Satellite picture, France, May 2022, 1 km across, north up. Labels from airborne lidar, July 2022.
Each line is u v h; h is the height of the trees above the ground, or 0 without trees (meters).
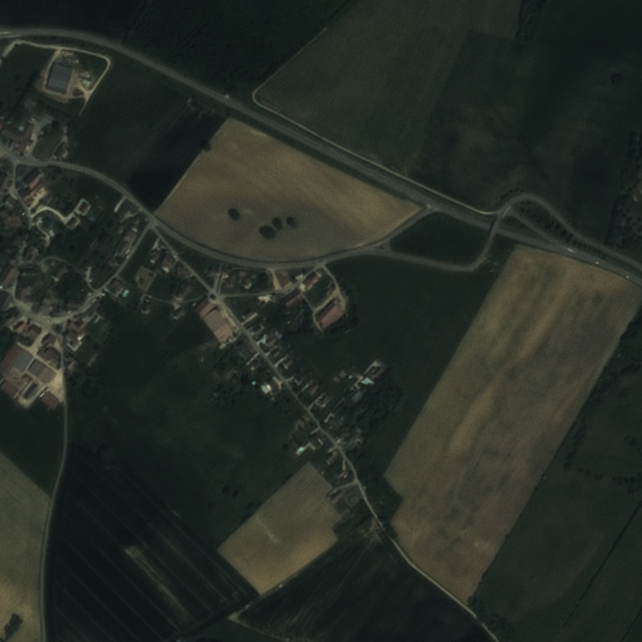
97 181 0
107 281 0
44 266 0
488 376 0
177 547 0
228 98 0
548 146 0
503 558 0
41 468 0
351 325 5
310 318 7
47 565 0
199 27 7
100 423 0
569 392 0
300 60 0
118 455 0
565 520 0
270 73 12
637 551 0
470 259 0
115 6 0
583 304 0
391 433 0
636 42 0
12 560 0
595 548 0
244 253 0
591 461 0
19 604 0
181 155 0
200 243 0
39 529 0
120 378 0
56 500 0
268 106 0
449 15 0
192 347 0
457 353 0
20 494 0
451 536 0
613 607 0
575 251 0
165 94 0
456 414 0
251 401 0
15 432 0
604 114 0
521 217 0
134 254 0
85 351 0
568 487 0
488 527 0
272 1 14
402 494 0
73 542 0
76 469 0
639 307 0
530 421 0
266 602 0
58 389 0
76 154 0
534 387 0
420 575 0
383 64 0
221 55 8
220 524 0
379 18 0
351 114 0
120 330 0
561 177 0
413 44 0
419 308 0
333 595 0
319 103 0
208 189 0
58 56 0
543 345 0
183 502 0
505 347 0
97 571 0
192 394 0
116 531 0
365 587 0
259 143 0
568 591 0
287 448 9
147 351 0
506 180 0
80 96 0
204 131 0
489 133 0
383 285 0
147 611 0
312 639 0
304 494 0
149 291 0
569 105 0
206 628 0
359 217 0
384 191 0
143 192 0
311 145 0
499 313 0
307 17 13
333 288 8
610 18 0
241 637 0
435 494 0
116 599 0
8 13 0
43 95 0
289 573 0
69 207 8
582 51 0
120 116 0
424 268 0
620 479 7
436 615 0
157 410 0
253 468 0
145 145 0
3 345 10
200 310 0
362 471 10
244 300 0
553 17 0
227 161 0
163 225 0
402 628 0
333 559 0
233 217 14
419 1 0
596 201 0
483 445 0
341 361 0
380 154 0
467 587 0
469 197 0
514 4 0
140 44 12
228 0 12
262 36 12
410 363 0
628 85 0
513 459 0
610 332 0
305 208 0
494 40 0
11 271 0
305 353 0
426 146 0
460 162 0
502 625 5
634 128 0
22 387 0
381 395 15
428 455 0
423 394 0
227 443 0
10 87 0
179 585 0
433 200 0
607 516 0
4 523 0
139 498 0
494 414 0
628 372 10
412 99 0
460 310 0
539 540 0
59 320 0
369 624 0
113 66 0
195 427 0
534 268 0
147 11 8
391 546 0
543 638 0
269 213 0
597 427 0
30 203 0
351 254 0
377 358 0
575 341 0
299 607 0
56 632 0
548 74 0
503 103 0
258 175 0
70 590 0
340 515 0
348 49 0
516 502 0
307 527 0
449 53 0
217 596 0
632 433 0
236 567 0
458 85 0
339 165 0
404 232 0
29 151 0
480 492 0
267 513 0
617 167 0
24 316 0
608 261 0
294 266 0
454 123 0
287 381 0
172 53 10
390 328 0
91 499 0
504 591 0
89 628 0
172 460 0
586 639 0
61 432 0
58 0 0
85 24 0
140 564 0
